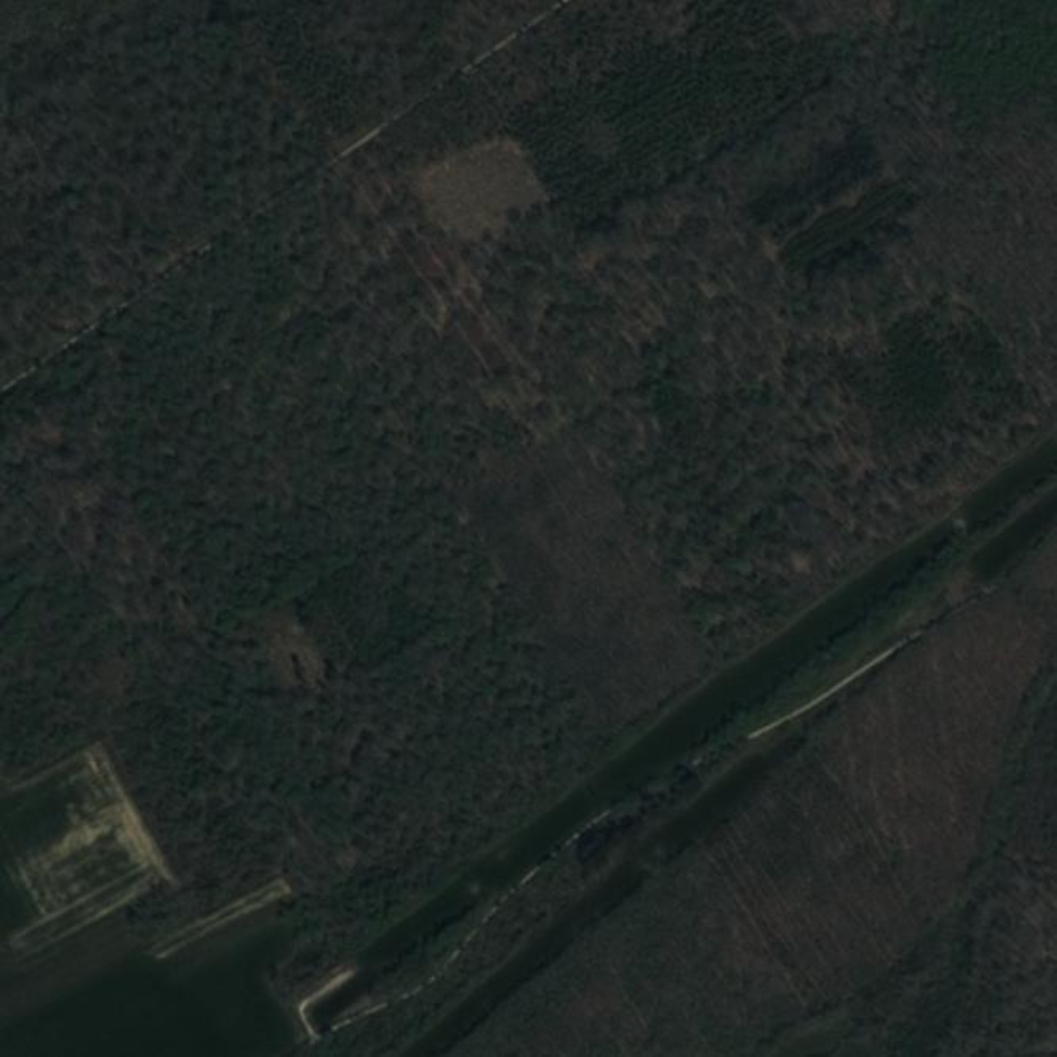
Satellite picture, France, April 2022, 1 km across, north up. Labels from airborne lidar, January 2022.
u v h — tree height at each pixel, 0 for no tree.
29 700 12
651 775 0
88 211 22
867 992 6
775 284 28
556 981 18
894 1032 7
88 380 21
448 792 24
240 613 18
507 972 0
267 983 0
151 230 11
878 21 29
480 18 0
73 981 0
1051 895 24
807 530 26
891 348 8
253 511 25
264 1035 0
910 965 8
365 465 23
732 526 29
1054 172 24
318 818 25
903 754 15
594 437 26
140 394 25
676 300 27
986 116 23
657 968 17
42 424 25
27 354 24
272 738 27
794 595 28
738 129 11
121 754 0
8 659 15
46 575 25
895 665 12
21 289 27
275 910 0
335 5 9
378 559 18
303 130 7
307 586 22
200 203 25
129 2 24
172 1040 0
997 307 26
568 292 23
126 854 0
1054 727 17
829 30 25
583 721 16
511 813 23
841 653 20
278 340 20
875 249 8
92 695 23
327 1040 15
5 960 0
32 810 0
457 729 26
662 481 23
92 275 26
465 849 22
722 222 28
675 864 12
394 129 6
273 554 24
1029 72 19
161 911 17
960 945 8
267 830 28
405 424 24
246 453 23
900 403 9
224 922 0
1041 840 9
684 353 30
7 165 23
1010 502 0
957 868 17
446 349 21
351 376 27
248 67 16
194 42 27
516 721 23
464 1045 14
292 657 0
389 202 20
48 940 0
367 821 13
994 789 16
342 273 22
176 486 24
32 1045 0
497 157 0
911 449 13
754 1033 18
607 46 9
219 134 22
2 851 0
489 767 21
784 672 0
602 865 27
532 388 22
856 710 12
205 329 24
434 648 26
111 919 0
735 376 27
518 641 21
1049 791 7
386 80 24
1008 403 14
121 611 22
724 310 19
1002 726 14
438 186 0
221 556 24
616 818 11
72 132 27
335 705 20
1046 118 24
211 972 0
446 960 12
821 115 24
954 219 25
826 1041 0
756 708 13
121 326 23
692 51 6
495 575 24
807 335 16
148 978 0
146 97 27
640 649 19
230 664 20
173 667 24
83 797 0
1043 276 26
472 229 0
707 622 22
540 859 0
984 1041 26
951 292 25
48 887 0
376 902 17
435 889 15
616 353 26
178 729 15
